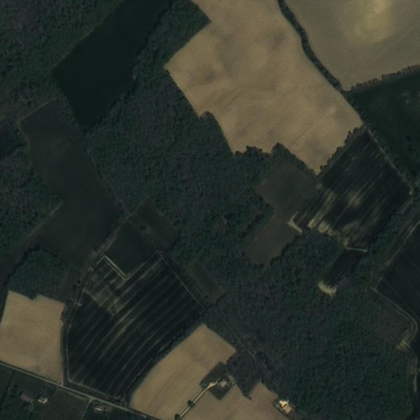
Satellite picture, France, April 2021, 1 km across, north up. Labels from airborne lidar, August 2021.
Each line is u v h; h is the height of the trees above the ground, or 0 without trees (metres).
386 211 0
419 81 0
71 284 0
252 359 11
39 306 0
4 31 13
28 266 19
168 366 0
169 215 16
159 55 27
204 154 11
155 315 0
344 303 21
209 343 0
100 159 18
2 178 16
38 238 0
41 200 15
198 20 15
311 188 0
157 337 0
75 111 0
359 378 21
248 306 18
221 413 0
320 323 17
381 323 8
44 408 0
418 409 0
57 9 15
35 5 8
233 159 15
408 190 0
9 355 0
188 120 21
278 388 15
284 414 6
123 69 0
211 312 18
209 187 20
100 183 0
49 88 14
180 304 0
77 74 0
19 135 13
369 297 21
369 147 0
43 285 18
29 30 18
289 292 21
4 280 0
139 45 0
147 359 0
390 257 0
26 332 0
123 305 0
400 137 0
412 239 0
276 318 17
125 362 0
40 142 0
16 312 0
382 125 0
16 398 14
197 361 0
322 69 9
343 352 21
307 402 19
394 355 13
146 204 0
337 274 0
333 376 23
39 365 0
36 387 0
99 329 0
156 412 0
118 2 14
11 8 18
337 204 0
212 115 13
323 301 15
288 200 0
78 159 0
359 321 22
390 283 0
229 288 18
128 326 0
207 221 19
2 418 18
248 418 0
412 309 0
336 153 7
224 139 18
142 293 0
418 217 0
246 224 13
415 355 0
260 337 20
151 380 0
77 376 0
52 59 17
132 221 9
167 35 24
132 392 13
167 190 19
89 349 0
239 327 13
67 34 18
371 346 14
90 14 19
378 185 0
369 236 0
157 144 11
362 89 16
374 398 21
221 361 0
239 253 18
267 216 16
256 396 0
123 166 15
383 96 0
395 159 13
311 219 0
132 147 19
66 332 0
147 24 0
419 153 25
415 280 0
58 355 0
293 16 7
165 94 20
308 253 19
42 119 0
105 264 0
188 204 19
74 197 0
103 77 0
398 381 22
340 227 0
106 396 0
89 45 0
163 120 19
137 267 0
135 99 23
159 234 0
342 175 0
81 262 0
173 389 0
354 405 17
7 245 20
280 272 20
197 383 0
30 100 19
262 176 22
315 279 18
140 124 15
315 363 23
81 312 0
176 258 11
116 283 0
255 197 16
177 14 22
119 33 0
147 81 26
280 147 17
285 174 0
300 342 20
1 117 17
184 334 8
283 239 0
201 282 0
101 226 0
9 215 18
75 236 0
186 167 17
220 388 0
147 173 18
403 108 0
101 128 16
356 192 0
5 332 0
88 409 6
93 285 0
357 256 0
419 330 0
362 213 0
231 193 21
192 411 0
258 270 17
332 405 19
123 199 19
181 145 19
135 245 0
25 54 20
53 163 0
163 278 0
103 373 0
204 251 19
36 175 13
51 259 20
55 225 0
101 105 0
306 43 17
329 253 25
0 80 16
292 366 15
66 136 0
